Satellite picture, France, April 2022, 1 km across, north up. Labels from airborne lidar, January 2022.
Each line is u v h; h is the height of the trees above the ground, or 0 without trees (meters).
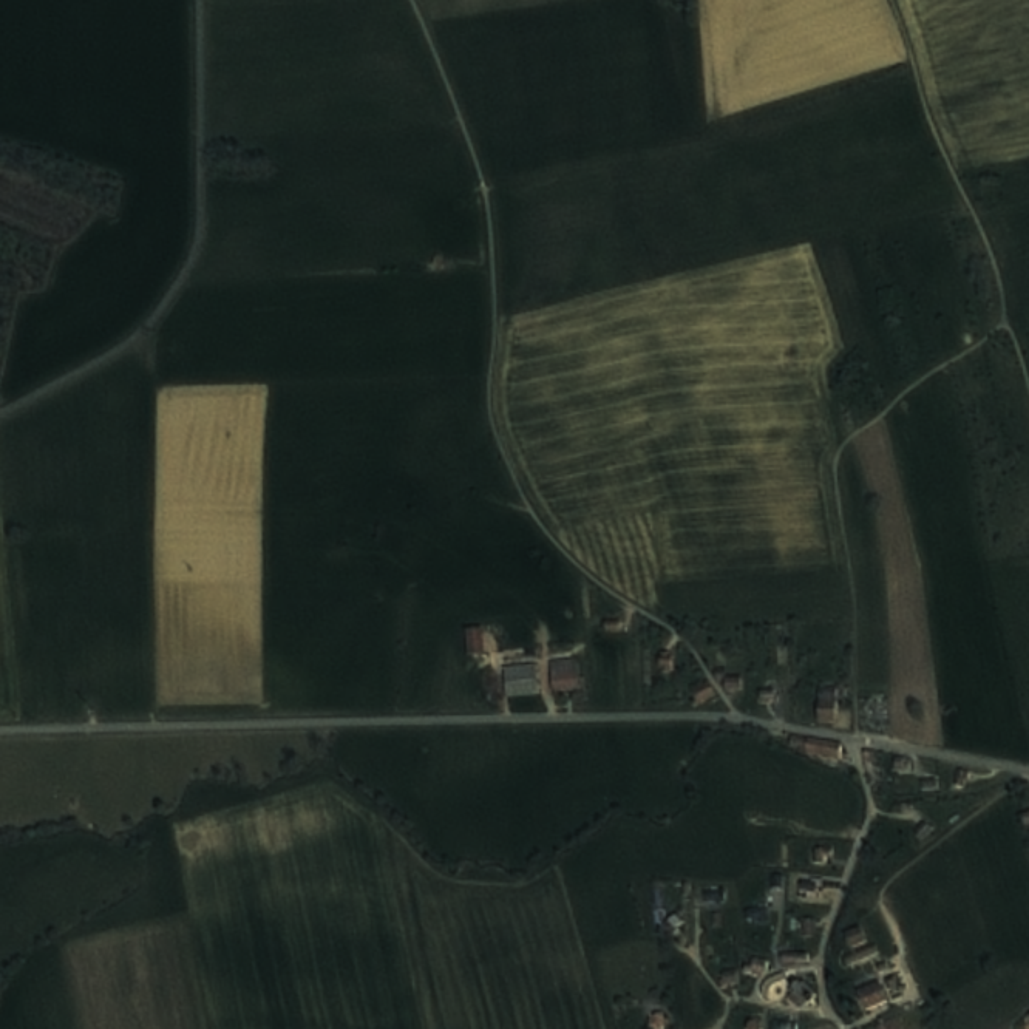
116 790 0
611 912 0
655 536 0
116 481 0
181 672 0
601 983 0
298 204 0
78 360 0
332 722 0
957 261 0
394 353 0
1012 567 0
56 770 0
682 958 0
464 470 0
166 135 0
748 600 0
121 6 0
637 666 0
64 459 0
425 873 0
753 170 0
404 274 0
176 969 0
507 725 0
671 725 0
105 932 0
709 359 0
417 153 0
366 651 0
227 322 0
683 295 0
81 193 26
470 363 0
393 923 0
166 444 0
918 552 0
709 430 0
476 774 0
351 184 0
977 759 0
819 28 0
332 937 0
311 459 0
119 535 0
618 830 0
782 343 0
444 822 0
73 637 0
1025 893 0
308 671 0
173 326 0
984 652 0
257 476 0
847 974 0
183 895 0
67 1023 0
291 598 0
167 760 0
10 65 0
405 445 0
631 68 0
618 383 0
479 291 0
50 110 0
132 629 0
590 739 0
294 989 0
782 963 0
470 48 0
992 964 18
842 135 0
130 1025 0
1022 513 0
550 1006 0
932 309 0
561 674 0
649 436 0
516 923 0
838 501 0
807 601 0
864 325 0
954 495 0
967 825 0
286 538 0
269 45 0
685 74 0
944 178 0
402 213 0
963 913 0
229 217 0
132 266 0
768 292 0
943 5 0
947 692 0
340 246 0
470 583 0
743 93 0
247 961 0
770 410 0
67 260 0
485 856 0
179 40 0
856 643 0
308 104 0
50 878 0
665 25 0
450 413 0
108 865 0
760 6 0
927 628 0
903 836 7
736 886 0
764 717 0
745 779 0
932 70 0
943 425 0
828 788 0
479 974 0
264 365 0
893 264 0
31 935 0
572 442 0
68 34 0
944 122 0
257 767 0
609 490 0
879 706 0
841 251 0
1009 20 0
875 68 0
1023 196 0
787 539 0
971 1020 0
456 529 0
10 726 0
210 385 0
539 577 0
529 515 0
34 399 0
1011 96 0
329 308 0
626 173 0
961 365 0
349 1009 0
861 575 0
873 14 0
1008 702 0
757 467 0
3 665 0
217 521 0
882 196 0
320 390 0
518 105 0
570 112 0
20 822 0
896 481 0
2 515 0
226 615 0
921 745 0
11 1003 0
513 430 0
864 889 0
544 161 0
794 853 0
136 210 0
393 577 0
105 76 0
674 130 0
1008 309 0
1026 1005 0
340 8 0
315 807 0
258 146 0
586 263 0
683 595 0
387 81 0
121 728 0
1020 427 0
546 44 0
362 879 0
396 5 0
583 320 0
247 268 0
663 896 0
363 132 0
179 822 0
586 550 0
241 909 0
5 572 0
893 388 0
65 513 0
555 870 0
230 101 0
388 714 0
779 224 0
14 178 26
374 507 0
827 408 0
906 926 0
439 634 0
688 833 0
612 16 0
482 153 0
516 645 0
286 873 0
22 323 0
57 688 0
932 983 0
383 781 0
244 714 0
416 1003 0
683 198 0
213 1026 0
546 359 0
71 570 0
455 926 0
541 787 0
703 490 0
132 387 0
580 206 0
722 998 0
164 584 0
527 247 0
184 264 0
